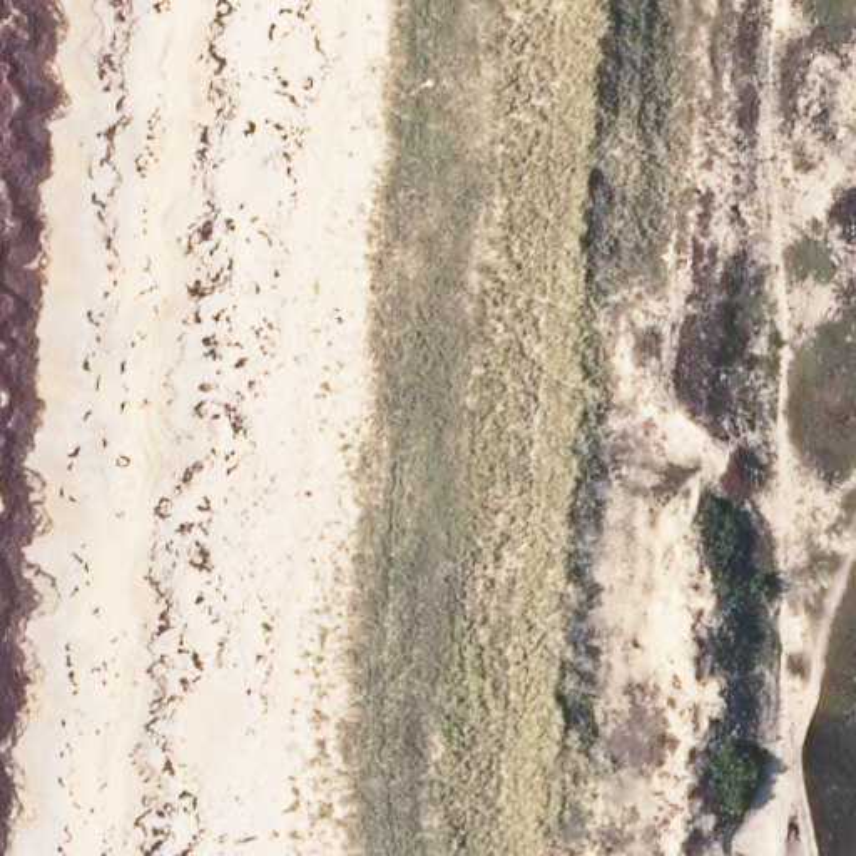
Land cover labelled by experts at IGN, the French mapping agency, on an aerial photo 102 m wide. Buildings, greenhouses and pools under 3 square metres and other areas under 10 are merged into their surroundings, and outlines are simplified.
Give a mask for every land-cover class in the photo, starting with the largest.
<instances>
[{"label":"bare soil","instance_id":"1","mask_svg":"<svg viewBox=\"0 0 856 856\"><path fill-rule=\"evenodd\" d=\"M772 20L762 0H0V856H722L719 833L712 829L716 816L689 796L696 782L692 772L702 766L699 746L709 736L712 719L722 712V669L712 662V652L696 649L702 635H709L719 625V612L712 572L702 562L696 512L702 492H716L719 498L746 508L749 515L759 512V495L769 488L772 468L759 461L752 448H739L736 455H729L722 448L732 435H742L736 418H746L749 428L762 421L759 391L749 388L756 354L749 348L729 368L712 364V354L722 341L719 304L726 301L742 308L739 324L752 338L762 328V301L769 298V264L752 261L749 224L742 217V204L756 197L759 174V37L762 27H769ZM803 237L829 247L836 271L826 284L836 294L849 281H856V244L843 241V227L829 217V211L823 217H813Z\"/></svg>","mask_w":856,"mask_h":856},{"label":"pervious surface","instance_id":"2","mask_svg":"<svg viewBox=\"0 0 856 856\"><path fill-rule=\"evenodd\" d=\"M772 20L769 27H762L759 37V174L756 197L742 204V217L749 224L752 261L769 264V298L762 301V328L752 338L749 348L756 354L749 388L759 391L762 421L749 428L746 418H736L742 435H732L722 448L729 455H736L739 448H752L759 461L772 468L769 488L759 495V512L772 532L776 568L782 578V595L769 609L776 629L762 639V652L756 662V675H762L766 682V689L759 692V732L762 746L779 759V772L769 799L742 823L726 856H819L803 779V742L819 702L829 632L856 562V468L843 482L826 488L813 468L799 461L789 441L792 354L816 338V328L823 321L836 318V294L826 284L813 278L799 281L786 271V247L803 237L813 217H823L829 211L839 191L856 187V43H846L833 54H816L806 74V87L796 97V124L779 117V57L792 37L809 33L806 13L792 7V0H762Z\"/></svg>","mask_w":856,"mask_h":856},{"label":"herbaceous vegetation","instance_id":"3","mask_svg":"<svg viewBox=\"0 0 856 856\"><path fill-rule=\"evenodd\" d=\"M792 7L806 13L809 33L792 37L779 57V117L796 124V97L806 87V74L816 54H833L846 43H856V0H792ZM829 217L843 227V241L856 244V187L839 191L829 211ZM786 271L799 281L813 278L826 284L836 271L829 247L803 237L786 247ZM836 318L823 321L816 328V338L792 354L789 441L799 461L813 468L826 488L843 482L856 468V281H849L836 294ZM803 779L819 856H856V562L829 632L819 702L803 742Z\"/></svg>","mask_w":856,"mask_h":856},{"label":"brushwood","instance_id":"4","mask_svg":"<svg viewBox=\"0 0 856 856\"><path fill-rule=\"evenodd\" d=\"M742 308L726 301L719 304L722 341L712 354V364L729 368L749 348L752 338L739 324ZM702 562L712 572L719 612V625L709 635H702L696 649L712 652V662L722 669V712L712 719L709 736L699 746L702 766L692 772L696 782L689 796L716 816L712 829L719 833L722 856H726L742 823L769 799L779 772V759L762 746L759 732V692L766 689V682L762 675H756V662L762 652V639L776 629L769 609L782 595V578L776 568L772 532L759 512L749 515L746 508L719 498L716 492H702L696 512Z\"/></svg>","mask_w":856,"mask_h":856}]
</instances>
